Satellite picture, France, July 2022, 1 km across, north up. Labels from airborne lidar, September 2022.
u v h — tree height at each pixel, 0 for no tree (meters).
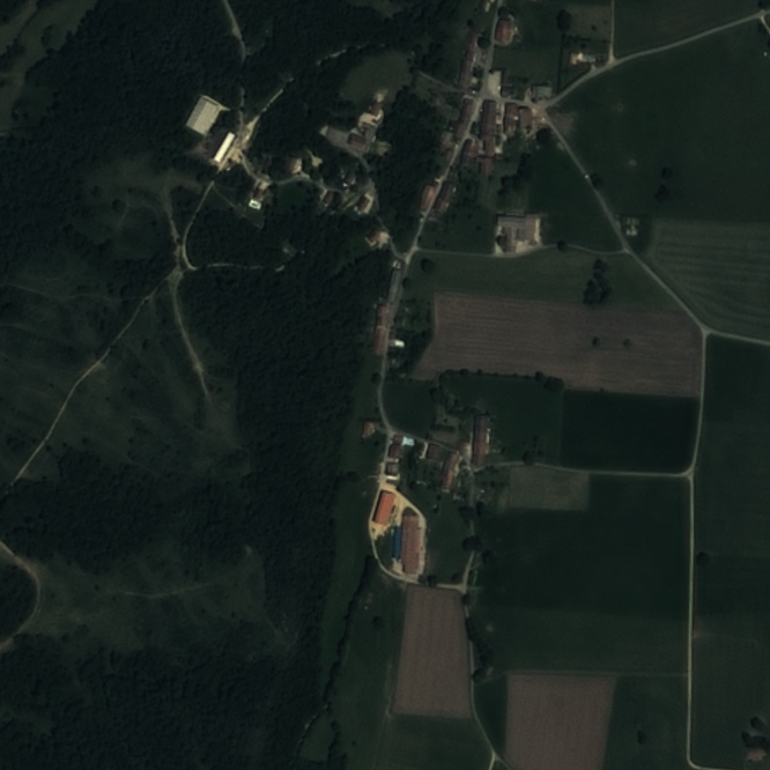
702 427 0
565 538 0
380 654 0
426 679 0
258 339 7
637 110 0
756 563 0
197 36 20
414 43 17
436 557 0
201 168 7
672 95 0
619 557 0
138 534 11
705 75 0
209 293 20
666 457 0
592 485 0
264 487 12
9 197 16
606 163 0
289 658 6
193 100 16
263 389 12
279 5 14
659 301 0
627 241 0
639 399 0
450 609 0
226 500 15
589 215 0
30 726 7
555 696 0
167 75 13
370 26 16
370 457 0
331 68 16
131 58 9
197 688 10
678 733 0
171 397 0
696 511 0
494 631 0
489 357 0
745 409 0
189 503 8
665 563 0
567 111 0
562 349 0
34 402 0
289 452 12
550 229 0
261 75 13
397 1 10
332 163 13
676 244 0
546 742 0
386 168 14
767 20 0
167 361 0
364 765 0
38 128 6
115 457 0
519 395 0
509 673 0
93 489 12
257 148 6
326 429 16
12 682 14
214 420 0
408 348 6
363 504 0
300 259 16
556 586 0
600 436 0
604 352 0
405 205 13
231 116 10
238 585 0
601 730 0
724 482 0
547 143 13
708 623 0
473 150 0
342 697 0
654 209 0
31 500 17
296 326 13
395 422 0
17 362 0
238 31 0
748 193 0
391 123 18
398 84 0
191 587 0
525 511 0
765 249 0
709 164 0
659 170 0
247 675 13
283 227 12
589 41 6
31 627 0
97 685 7
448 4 19
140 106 13
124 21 20
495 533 0
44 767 14
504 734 0
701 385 0
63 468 11
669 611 0
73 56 30
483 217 0
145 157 0
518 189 19
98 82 18
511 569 0
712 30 0
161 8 16
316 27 16
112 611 0
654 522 0
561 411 0
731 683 0
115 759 10
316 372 17
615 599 0
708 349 0
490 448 0
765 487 0
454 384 0
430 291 0
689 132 0
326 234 14
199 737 6
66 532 14
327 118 20
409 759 0
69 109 17
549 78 0
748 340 0
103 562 12
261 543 10
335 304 15
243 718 13
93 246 16
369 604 0
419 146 18
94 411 0
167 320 10
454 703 0
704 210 0
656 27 0
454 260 0
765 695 0
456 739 0
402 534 0
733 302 0
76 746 18
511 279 0
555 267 0
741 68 0
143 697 15
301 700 18
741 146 0
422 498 0
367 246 0
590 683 0
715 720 0
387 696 0
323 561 18
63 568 0
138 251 0
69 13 0
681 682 0
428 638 0
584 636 0
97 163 8
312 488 13
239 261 9
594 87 0
